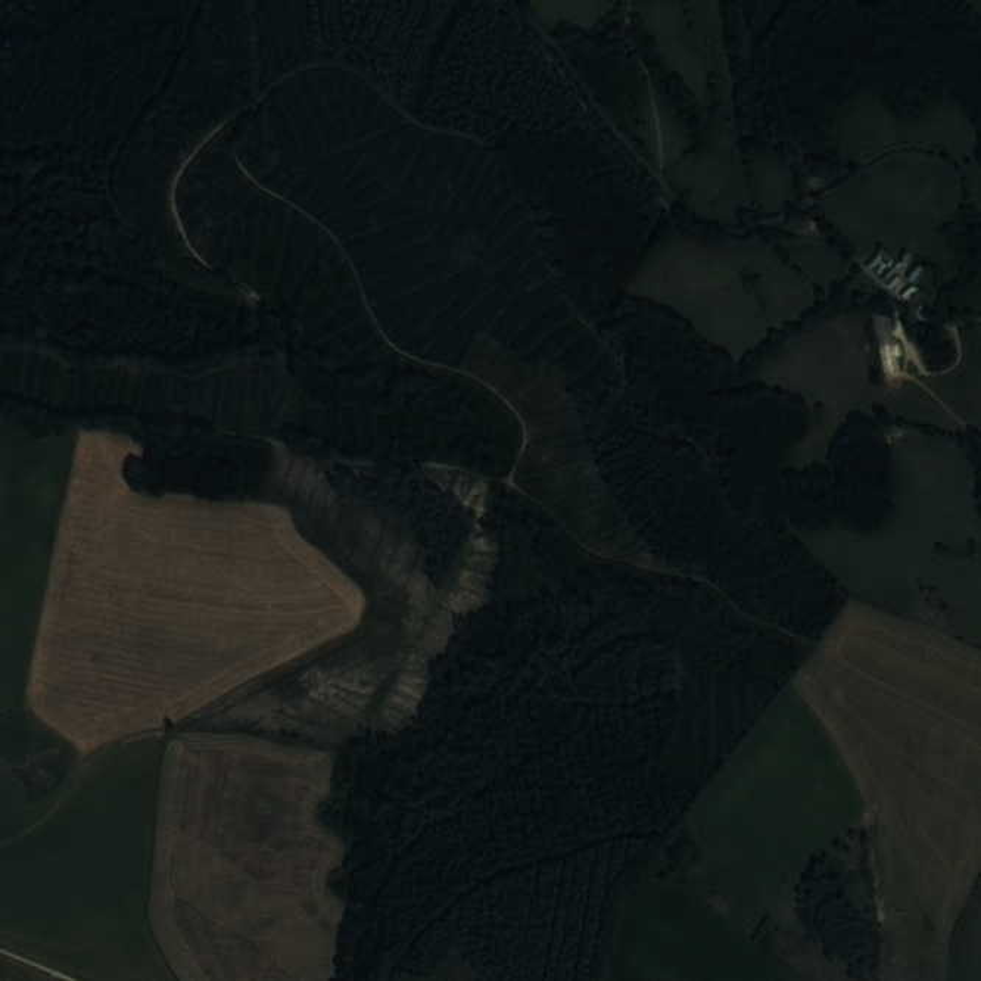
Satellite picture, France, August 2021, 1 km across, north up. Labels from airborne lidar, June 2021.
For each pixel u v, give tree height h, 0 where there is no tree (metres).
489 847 20
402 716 0
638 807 16
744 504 21
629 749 22
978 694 0
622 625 14
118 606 0
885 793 0
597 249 23
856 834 6
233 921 0
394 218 0
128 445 0
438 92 17
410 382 26
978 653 0
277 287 0
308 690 0
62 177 23
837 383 0
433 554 16
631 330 22
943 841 0
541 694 21
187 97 22
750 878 0
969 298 0
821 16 29
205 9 23
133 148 22
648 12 0
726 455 13
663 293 0
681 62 0
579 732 22
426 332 0
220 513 0
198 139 22
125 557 0
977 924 0
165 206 20
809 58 27
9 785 0
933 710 0
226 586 0
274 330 24
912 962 0
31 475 0
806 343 0
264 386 0
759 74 14
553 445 0
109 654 0
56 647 0
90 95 23
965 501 0
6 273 22
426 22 18
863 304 14
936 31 26
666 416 6
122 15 27
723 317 0
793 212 15
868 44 22
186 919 0
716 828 0
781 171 0
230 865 0
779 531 14
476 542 0
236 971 0
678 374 24
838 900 15
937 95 12
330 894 0
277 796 0
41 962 0
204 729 0
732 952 0
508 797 21
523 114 17
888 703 0
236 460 7
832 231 9
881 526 16
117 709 0
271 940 0
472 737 16
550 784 19
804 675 0
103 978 0
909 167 0
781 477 22
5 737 0
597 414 15
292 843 0
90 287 18
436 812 29
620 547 0
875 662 0
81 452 0
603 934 16
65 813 0
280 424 0
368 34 18
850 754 0
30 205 10
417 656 0
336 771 7
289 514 0
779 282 0
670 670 17
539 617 16
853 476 24
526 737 20
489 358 0
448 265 0
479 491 0
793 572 6
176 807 0
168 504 0
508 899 14
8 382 0
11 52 25
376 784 15
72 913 0
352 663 0
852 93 12
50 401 0
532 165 25
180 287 14
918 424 6
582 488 0
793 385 0
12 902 0
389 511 18
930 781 0
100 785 0
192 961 0
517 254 0
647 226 26
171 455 25
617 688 17
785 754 0
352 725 0
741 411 21
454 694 17
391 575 0
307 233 0
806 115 26
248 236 0
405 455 13
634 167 18
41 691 0
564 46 20
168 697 0
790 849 0
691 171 0
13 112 22
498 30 19
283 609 0
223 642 0
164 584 0
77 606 0
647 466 20
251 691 0
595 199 27
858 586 0
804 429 20
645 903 0
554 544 19
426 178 0
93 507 0
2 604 0
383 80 17
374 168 0
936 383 0
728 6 16
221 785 0
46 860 0
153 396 0
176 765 0
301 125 0
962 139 0
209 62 25
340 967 11
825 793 0
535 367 0
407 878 19
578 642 16
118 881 0
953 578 0
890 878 0
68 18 20
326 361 21
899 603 0
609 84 25
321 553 0
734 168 0
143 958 0
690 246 0
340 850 0
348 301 0
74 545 0
